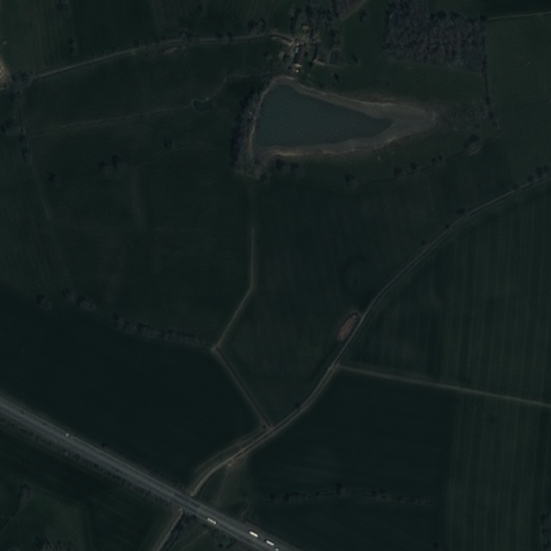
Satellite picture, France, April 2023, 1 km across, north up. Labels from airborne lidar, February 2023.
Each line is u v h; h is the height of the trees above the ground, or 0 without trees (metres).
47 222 0
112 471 0
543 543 0
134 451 0
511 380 0
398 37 22
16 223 0
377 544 0
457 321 0
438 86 0
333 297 0
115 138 0
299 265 0
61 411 0
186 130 0
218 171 0
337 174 0
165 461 0
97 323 0
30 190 0
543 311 0
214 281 0
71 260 0
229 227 0
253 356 0
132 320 0
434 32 22
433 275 0
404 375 0
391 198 0
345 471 0
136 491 8
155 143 0
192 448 0
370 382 0
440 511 0
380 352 0
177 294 0
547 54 0
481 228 0
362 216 0
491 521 0
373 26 0
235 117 0
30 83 21
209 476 0
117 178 0
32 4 0
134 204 0
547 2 0
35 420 0
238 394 0
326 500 0
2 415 0
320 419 0
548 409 0
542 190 0
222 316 0
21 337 0
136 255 0
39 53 0
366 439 0
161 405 0
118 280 0
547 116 0
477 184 0
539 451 0
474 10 0
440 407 0
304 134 0
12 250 0
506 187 0
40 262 0
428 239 0
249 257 0
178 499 0
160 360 0
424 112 0
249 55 0
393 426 0
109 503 0
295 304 0
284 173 23
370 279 0
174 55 0
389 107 0
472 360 0
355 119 0
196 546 0
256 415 0
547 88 0
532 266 0
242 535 0
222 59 0
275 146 0
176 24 0
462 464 0
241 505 0
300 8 0
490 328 0
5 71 0
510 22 0
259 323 0
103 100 0
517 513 0
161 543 0
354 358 0
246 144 28
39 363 0
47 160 0
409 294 0
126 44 0
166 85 0
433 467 0
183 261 0
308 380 0
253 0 0
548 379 0
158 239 0
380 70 0
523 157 0
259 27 13
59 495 0
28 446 0
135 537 0
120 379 0
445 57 19
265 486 0
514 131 0
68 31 0
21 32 0
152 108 0
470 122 0
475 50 14
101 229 0
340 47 15
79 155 0
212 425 0
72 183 0
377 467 0
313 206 0
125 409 0
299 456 0
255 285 0
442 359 0
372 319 0
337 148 0
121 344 0
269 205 0
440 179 0
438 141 0
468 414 0
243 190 0
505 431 0
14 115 0
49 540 0
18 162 0
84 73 0
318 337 0
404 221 0
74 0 0
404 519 0
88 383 0
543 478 0
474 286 0
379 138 0
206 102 0
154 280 0
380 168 0
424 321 0
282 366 0
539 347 0
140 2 0
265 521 0
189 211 0
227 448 0
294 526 0
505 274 0
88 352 0
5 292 0
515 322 0
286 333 0
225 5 0
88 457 0
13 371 0
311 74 0
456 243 0
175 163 0
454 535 0
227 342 0
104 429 0
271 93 0
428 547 0
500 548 0
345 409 0
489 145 0
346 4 27
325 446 0
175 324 0
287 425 0
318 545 0
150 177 0
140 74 0
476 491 0
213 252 0
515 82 0
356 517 0
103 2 0
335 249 0
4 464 0
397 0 25
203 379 0
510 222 0
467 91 0
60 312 0
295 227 0
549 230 0
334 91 0
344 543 0
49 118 0
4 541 0
